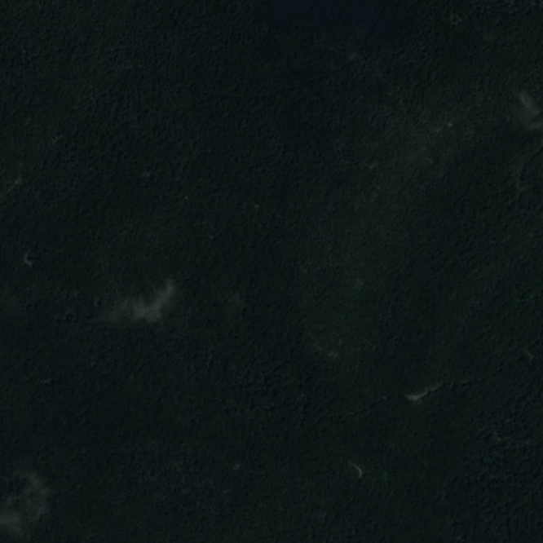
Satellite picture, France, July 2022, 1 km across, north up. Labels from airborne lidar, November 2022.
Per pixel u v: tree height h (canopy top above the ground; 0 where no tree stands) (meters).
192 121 16
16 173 13
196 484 22
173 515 20
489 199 20
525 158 18
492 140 16
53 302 18
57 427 20
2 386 17
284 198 21
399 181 8
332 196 13
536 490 17
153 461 15
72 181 21
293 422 23
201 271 23
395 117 18
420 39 13
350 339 7
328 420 20
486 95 14
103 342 25
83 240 23
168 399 25
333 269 10
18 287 24
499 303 13
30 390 15
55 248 20
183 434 23
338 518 19
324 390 23
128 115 20
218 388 24
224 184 17
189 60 17
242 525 15
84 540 20
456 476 19
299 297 11
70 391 20
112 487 17
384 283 10
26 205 18
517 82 12
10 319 19
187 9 15
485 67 16
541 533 23
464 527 33
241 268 21
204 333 28
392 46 15
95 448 21
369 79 21
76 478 16
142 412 23
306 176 13
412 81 14
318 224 9
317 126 16
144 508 16
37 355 20
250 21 24
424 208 17
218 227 16
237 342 26
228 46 23
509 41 17
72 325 23
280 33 19
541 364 22
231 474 17
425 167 12
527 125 13
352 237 8
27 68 20
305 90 23
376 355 13
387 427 26
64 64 13
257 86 13
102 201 20
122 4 13
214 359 27
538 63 13
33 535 20
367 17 20
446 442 20
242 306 16
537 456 15
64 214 17
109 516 13
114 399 22
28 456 18
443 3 17
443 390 15
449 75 17
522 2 24
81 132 12
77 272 24
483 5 16
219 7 22
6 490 16
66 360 21
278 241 20
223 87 17
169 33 14
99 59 14
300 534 20
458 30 16
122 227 9
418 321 18
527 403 18
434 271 14
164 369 27
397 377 15
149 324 30
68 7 13
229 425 22
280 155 21
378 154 16
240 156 13
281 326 15
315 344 10
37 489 20
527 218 9
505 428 18
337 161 14
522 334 13
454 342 14
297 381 16
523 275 18
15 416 18
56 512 22
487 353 15
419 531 18
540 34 13
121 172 21
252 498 22
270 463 18
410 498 28
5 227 21
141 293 15
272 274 17
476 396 20
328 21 21
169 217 14
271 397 35
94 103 14
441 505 32
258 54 17
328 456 16
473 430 19
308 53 20
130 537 17
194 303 23
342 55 11
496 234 17
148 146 20
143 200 23
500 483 23
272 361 12
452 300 10
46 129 12
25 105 14
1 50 20
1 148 12
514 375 16
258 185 17
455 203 11
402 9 20
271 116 17
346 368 11
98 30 11
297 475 16
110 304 20
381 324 15
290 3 12
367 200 12
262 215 13
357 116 20
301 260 10
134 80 17
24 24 13
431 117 10
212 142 22
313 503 17
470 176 11
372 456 20
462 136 10
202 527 16
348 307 11
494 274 14
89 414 23
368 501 24
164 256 22
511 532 21
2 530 20
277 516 19
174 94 15
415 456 28
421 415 17
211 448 21
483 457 10
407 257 12
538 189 18
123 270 19
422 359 13
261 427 29
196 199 21
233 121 18
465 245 10
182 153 18
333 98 19
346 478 16
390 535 16
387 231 10
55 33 17
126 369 30
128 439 25
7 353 17
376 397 16
